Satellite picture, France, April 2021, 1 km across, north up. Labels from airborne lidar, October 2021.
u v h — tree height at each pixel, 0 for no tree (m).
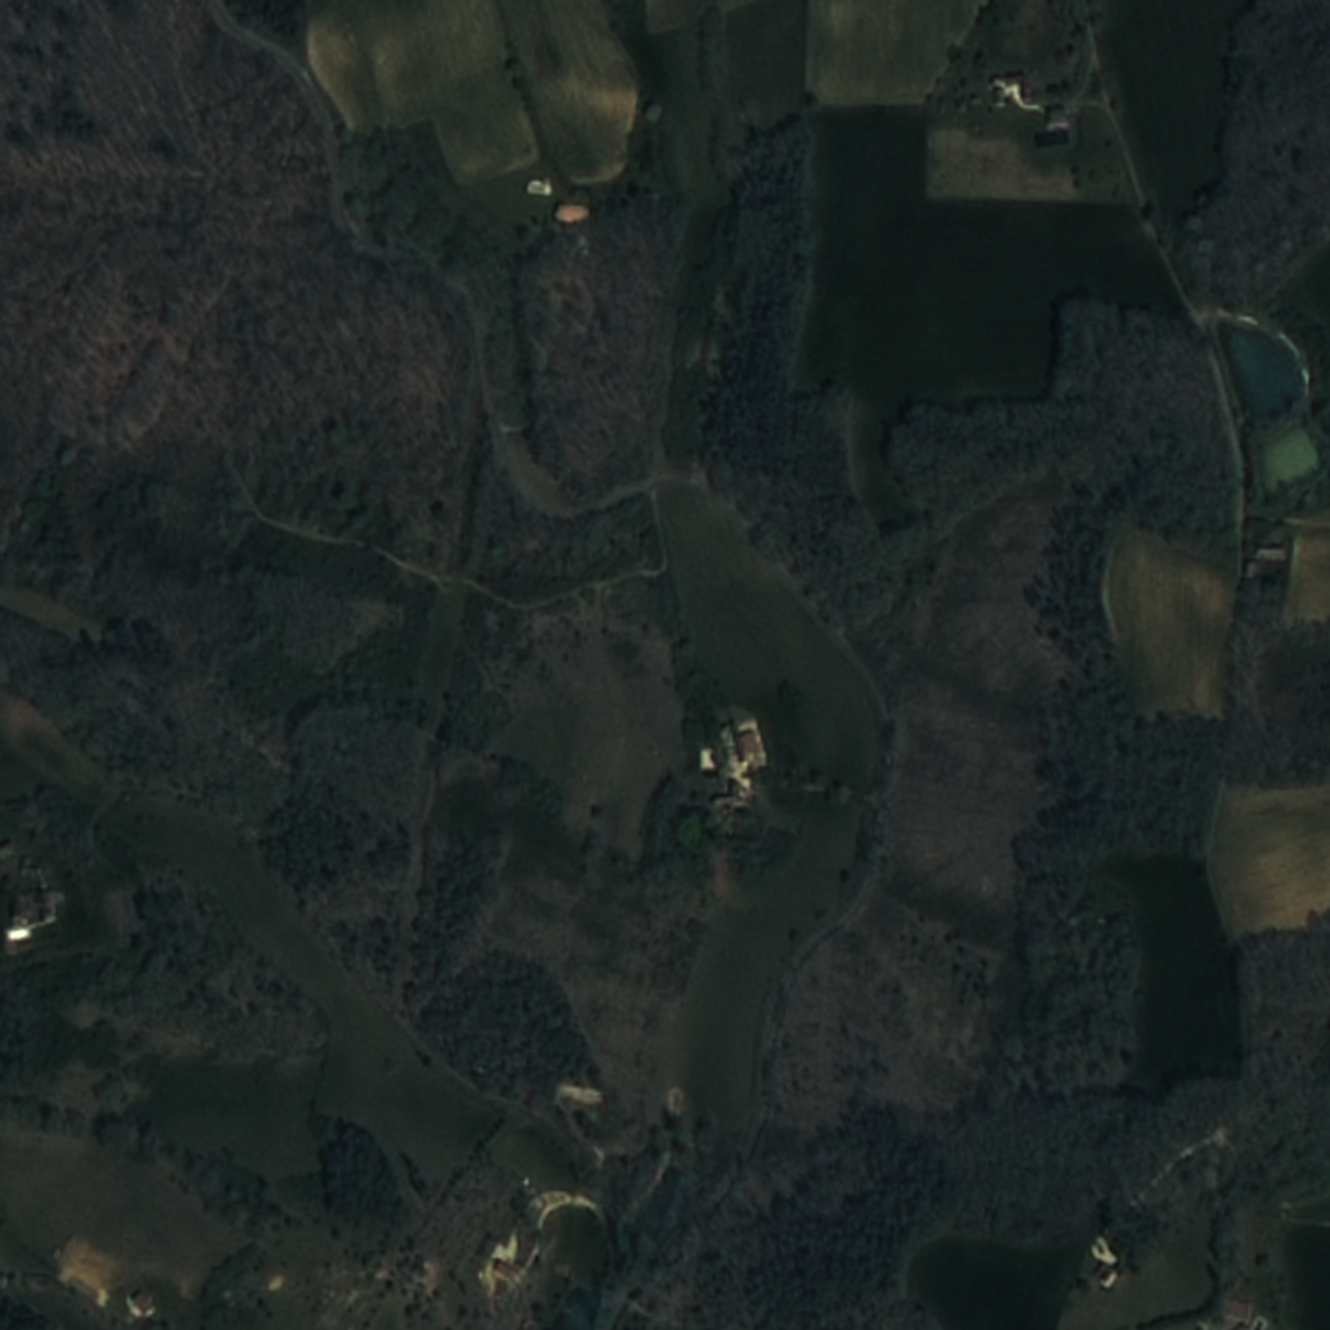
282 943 0
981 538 0
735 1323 11
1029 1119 20
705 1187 9
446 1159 0
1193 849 18
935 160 0
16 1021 22
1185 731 13
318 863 19
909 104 0
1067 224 0
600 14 0
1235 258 22
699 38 6
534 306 23
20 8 15
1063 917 12
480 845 13
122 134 15
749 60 0
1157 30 0
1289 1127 23
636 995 0
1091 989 20
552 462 24
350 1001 0
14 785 0
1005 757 0
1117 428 22
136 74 14
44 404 9
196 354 7
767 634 0
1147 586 0
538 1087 12
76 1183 0
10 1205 0
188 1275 0
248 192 23
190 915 19
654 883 16
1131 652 0
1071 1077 12
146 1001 21
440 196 11
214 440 9
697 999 0
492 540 18
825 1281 16
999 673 0
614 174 0
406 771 20
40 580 11
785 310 14
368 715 23
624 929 0
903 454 24
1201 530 22
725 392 12
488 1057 9
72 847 12
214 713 13
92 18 15
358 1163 18
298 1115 0
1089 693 10
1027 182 0
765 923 0
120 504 9
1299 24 17
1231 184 13
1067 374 18
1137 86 0
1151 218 12
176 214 20
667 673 0
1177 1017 0
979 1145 22
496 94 0
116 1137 20
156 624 6
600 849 16
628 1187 8
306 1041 15
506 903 10
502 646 8
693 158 7
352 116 0
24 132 13
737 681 0
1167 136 0
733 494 22
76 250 8
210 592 10
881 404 0
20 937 0
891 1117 9
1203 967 0
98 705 15
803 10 0
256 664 8
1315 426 10
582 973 0
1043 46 0
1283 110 17
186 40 19
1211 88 0
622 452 18
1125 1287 0
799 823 0
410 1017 9
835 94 0
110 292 13
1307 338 11
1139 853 17
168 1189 0
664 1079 0
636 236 14
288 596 21
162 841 0
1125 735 17
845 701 0
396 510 20
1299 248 11
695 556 0
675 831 17
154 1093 0
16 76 14
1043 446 18
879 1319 12
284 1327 0
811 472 12
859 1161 11
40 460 15
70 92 16
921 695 0
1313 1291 0
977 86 10
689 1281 8
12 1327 17
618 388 16
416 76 0
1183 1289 0
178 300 11
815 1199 12
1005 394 0
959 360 0
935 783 0
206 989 12
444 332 18
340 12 0
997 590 0
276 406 10
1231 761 20
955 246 0
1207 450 21
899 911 0
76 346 16
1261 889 0
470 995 15
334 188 18
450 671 0
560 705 0
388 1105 0
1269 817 0
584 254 20
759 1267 9
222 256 9
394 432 8
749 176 14
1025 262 0
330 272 8
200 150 14
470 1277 0
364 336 20
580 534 14
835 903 0
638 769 0
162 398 19
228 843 0
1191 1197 26
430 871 9
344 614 15
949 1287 0
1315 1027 8
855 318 0
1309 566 0
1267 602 13
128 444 17
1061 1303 0
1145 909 0
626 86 0
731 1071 0
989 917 0
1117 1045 13
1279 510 10
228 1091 0
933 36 0
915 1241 14
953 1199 20
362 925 9
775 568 17
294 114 19
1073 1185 21
